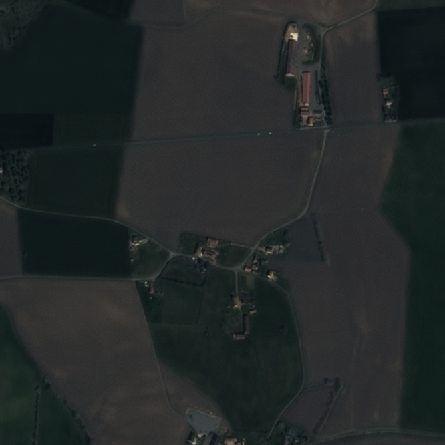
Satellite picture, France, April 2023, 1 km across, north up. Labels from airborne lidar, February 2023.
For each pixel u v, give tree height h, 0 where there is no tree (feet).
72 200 0
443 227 0
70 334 0
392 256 0
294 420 0
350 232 0
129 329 0
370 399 0
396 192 0
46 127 0
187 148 0
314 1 0
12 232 0
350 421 0
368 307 0
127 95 0
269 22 0
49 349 0
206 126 0
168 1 0
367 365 0
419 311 0
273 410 0
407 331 0
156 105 0
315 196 0
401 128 0
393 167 0
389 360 0
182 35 0
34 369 0
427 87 0
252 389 0
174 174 0
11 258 0
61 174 0
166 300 0
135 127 0
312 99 0
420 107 0
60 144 0
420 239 0
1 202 0
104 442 0
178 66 0
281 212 0
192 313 0
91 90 0
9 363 0
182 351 0
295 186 0
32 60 0
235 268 0
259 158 0
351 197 0
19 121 0
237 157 0
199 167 0
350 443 0
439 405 0
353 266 0
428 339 0
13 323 0
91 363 0
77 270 0
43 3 44
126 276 0
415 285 0
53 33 0
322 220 0
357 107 0
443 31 0
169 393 0
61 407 0
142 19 0
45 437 0
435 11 0
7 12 0
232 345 0
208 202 0
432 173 0
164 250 0
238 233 0
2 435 0
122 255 0
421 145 0
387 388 0
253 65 0
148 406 0
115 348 0
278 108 0
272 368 0
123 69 0
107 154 0
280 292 0
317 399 0
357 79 0
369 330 0
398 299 0
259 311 0
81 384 0
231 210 0
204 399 0
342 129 0
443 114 0
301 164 0
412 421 0
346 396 0
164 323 0
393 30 0
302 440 24
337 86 0
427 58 0
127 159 0
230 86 0
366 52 0
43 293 0
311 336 0
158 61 0
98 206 0
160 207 0
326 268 0
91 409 0
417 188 0
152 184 0
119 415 0
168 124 0
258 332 0
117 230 0
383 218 0
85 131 0
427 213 0
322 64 0
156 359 0
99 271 0
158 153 0
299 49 0
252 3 0
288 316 0
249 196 0
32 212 0
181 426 0
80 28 0
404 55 0
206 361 0
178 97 0
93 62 0
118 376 0
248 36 0
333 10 0
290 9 0
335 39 0
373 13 0
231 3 0
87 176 0
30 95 0
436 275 0
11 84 0
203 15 0
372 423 0
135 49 0
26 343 0
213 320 0
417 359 0
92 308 0
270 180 0
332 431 0
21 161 33
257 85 0
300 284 0
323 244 40
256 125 0
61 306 0
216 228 0
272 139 0
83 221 0
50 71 0
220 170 0
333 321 0
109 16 0
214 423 0
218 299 0
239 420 0
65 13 0
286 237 23
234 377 0
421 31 0
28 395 0
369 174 0
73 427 0
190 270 0
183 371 0
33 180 0
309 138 0
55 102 0
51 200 0
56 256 0
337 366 0
